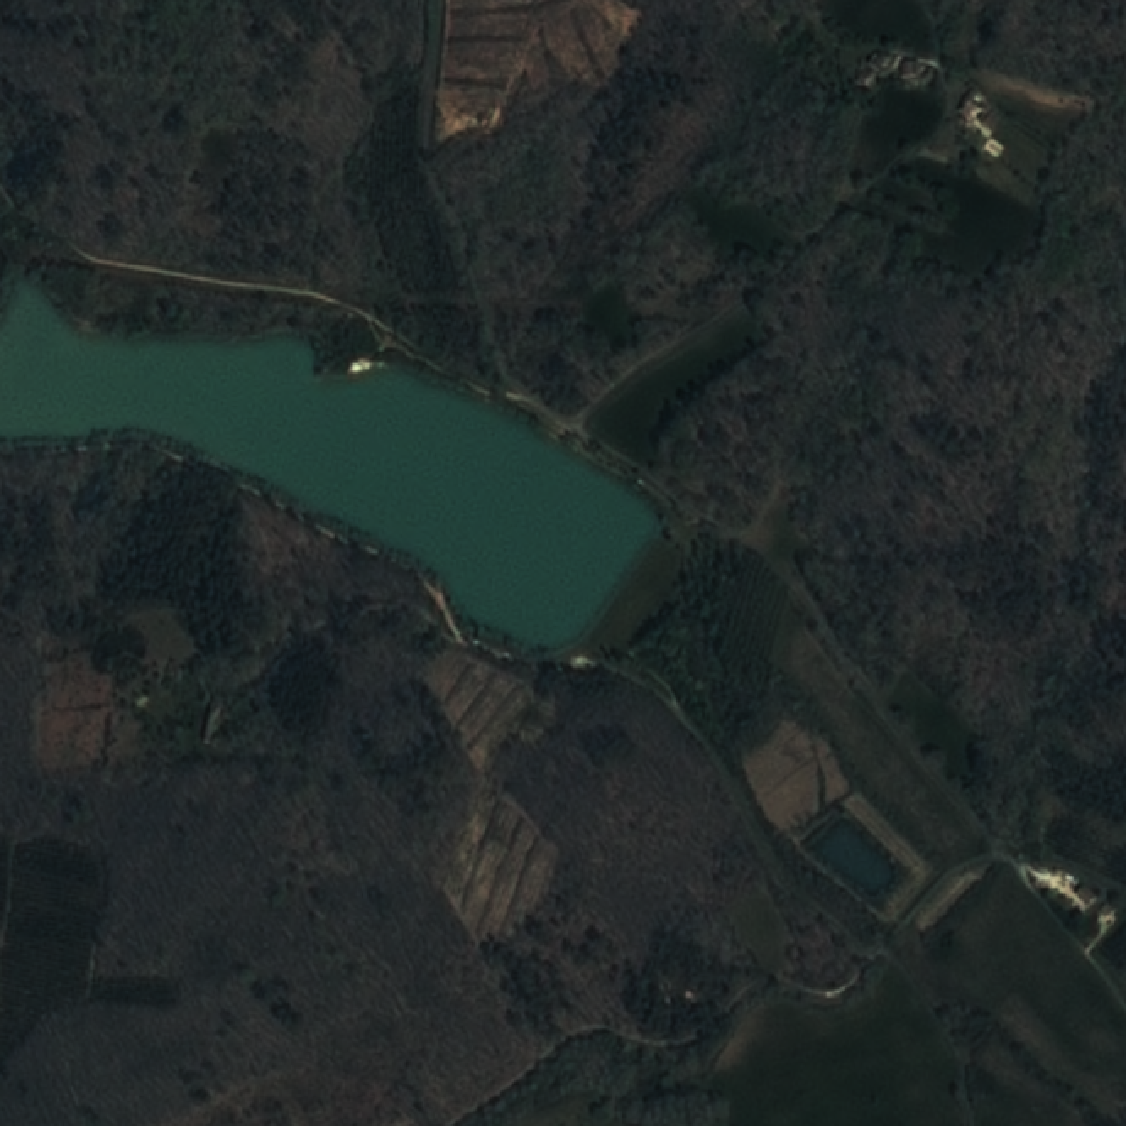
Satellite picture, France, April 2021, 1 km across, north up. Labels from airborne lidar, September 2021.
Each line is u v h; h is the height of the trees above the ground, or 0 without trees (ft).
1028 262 43
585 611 0
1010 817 62
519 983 93
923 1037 0
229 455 0
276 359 0
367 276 53
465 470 0
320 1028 50
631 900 39
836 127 55
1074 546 47
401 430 0
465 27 0
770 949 0
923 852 31
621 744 47
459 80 0
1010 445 45
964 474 30
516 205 47
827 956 31
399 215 31
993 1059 0
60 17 39
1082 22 30
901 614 70
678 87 52
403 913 60
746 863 32
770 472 49
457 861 0
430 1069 38
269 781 67
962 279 53
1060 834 22
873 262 32
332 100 51
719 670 44
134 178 35
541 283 38
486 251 64
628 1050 50
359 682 53
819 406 55
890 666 55
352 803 57
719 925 38
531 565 0
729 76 46
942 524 40
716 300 34
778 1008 0
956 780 42
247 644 73
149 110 40
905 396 71
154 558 60
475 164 54
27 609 70
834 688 0
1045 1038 0
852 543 93
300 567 39
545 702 53
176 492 48
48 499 50
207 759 23
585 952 31
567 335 93
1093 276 64
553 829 38
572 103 45
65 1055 52
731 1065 0
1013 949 0
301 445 0
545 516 0
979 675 30
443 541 0
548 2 0
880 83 34
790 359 47
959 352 36
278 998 66
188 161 66
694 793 34
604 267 22
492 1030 39
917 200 0
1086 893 0
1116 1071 0
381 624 98
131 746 0
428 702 90
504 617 0
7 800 54
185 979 39
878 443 84
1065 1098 36
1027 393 46
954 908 21
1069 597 94
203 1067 47
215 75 63
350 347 34
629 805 28
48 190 83
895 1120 0
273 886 41
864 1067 0
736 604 73
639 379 0
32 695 58
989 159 0
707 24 39
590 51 0
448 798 55
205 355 0
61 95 45
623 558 0
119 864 46
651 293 39
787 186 70
